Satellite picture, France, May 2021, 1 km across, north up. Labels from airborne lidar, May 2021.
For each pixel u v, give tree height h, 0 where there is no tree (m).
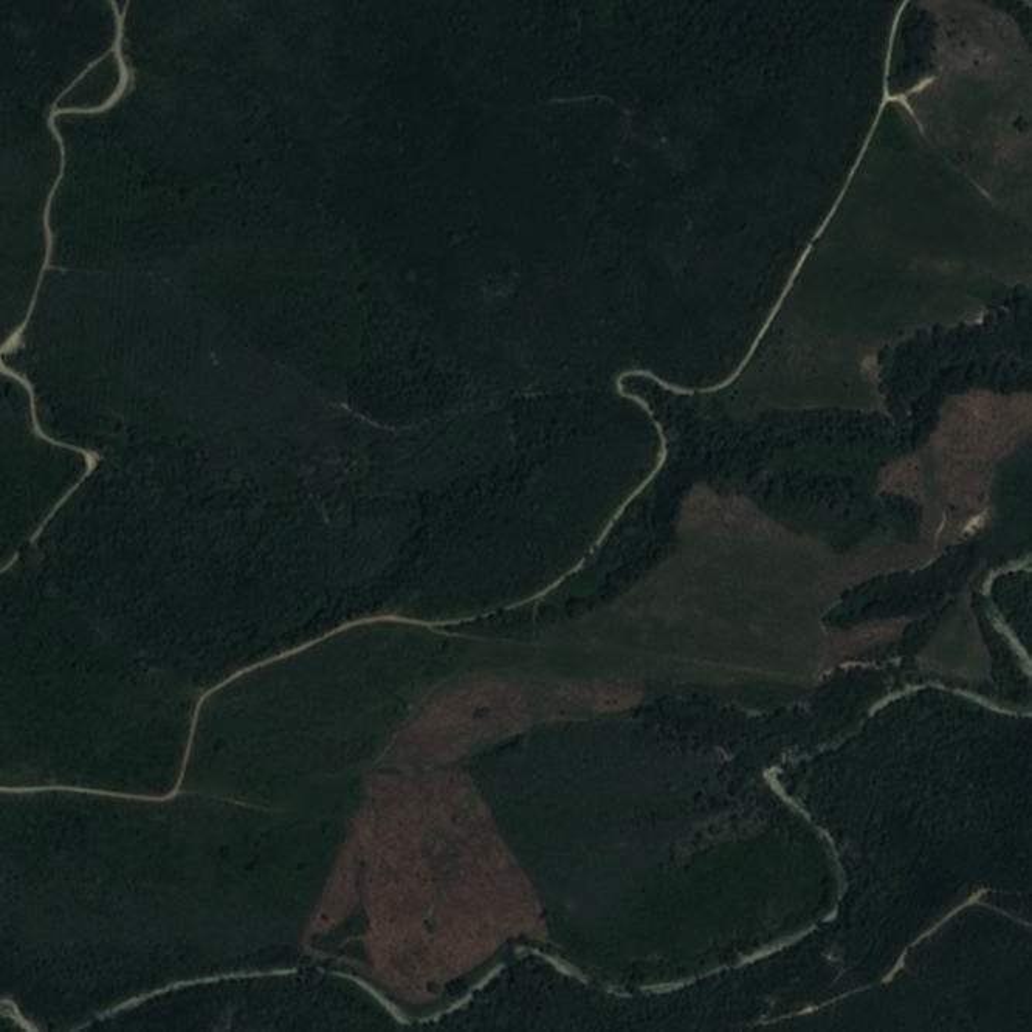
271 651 9
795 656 0
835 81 6
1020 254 0
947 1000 6
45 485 6
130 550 7
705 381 9
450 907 0
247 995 9
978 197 0
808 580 0
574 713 0
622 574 8
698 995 10
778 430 16
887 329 0
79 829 7
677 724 14
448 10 7
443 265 6
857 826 7
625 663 0
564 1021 10
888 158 0
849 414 8
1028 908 6
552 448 14
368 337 7
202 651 9
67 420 7
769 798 13
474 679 0
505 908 0
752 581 0
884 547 0
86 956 6
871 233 0
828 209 6
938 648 0
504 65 9
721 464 11
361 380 6
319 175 7
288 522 5
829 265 0
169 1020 9
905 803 15
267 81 6
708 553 0
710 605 0
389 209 7
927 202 0
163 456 9
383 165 5
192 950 5
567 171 6
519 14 8
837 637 0
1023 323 6
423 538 14
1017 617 9
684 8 12
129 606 9
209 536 7
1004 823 7
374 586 9
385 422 8
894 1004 5
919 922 6
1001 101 0
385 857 0
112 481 6
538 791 0
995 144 0
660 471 6
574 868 0
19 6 10
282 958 11
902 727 9
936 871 9
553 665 0
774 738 13
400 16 6
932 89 0
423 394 6
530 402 9
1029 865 9
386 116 6
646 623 0
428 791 0
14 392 12
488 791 0
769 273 9
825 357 0
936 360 20
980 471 0
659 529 8
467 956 0
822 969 7
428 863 0
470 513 8
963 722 6
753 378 0
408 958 0
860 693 16
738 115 5
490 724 0
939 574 13
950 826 7
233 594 6
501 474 13
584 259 5
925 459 0
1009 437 0
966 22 0
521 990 19
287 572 11
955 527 0
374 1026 9
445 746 0
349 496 7
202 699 0
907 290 0
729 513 0
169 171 7
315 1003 8
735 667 0
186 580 10
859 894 16
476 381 8
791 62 9
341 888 0
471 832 0
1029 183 0
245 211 6
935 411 16
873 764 6
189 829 0
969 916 6
